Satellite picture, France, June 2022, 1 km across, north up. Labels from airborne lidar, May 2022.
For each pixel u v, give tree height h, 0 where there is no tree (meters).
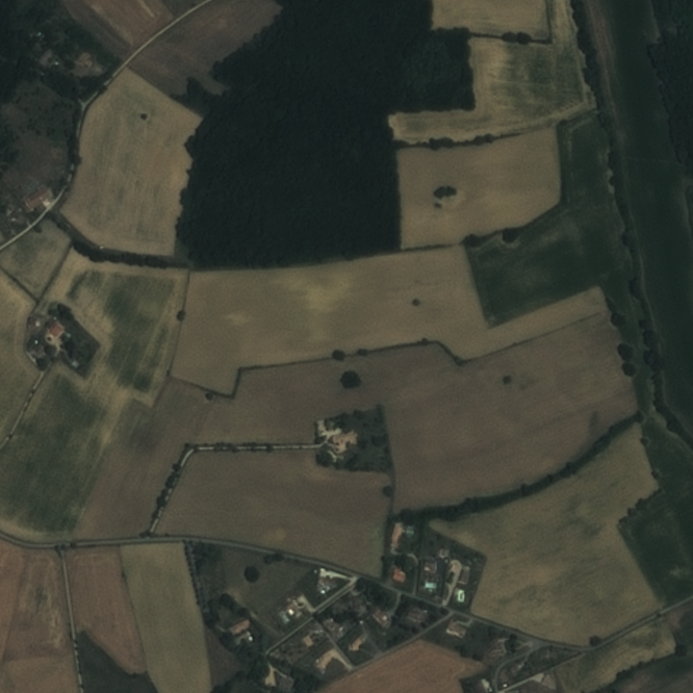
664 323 0
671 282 0
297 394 0
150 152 0
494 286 0
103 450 0
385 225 10
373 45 18
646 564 0
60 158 0
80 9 0
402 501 0
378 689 0
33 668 0
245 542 0
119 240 0
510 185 0
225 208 7
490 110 0
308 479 0
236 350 0
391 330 0
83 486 0
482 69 0
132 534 0
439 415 0
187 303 0
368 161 15
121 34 0
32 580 0
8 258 0
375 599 6
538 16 0
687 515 0
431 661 0
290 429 0
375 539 0
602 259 0
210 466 0
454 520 14
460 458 0
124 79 0
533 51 0
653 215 0
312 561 0
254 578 15
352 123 17
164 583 0
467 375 0
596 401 0
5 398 0
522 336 0
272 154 16
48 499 0
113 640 0
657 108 0
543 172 0
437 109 13
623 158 0
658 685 0
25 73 12
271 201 11
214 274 0
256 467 0
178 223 7
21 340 0
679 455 0
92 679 0
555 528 0
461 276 0
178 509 0
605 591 0
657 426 0
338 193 14
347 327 0
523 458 0
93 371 0
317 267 0
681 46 17
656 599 0
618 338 0
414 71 7
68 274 0
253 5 0
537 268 0
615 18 0
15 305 0
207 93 9
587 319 0
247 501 0
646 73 0
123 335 0
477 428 0
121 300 0
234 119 16
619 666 0
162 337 0
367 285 0
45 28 8
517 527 0
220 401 0
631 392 0
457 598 0
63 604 0
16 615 0
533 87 0
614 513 0
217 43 0
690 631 0
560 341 0
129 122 0
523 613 0
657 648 0
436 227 0
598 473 0
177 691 0
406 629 20
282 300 0
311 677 8
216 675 0
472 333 0
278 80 15
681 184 0
